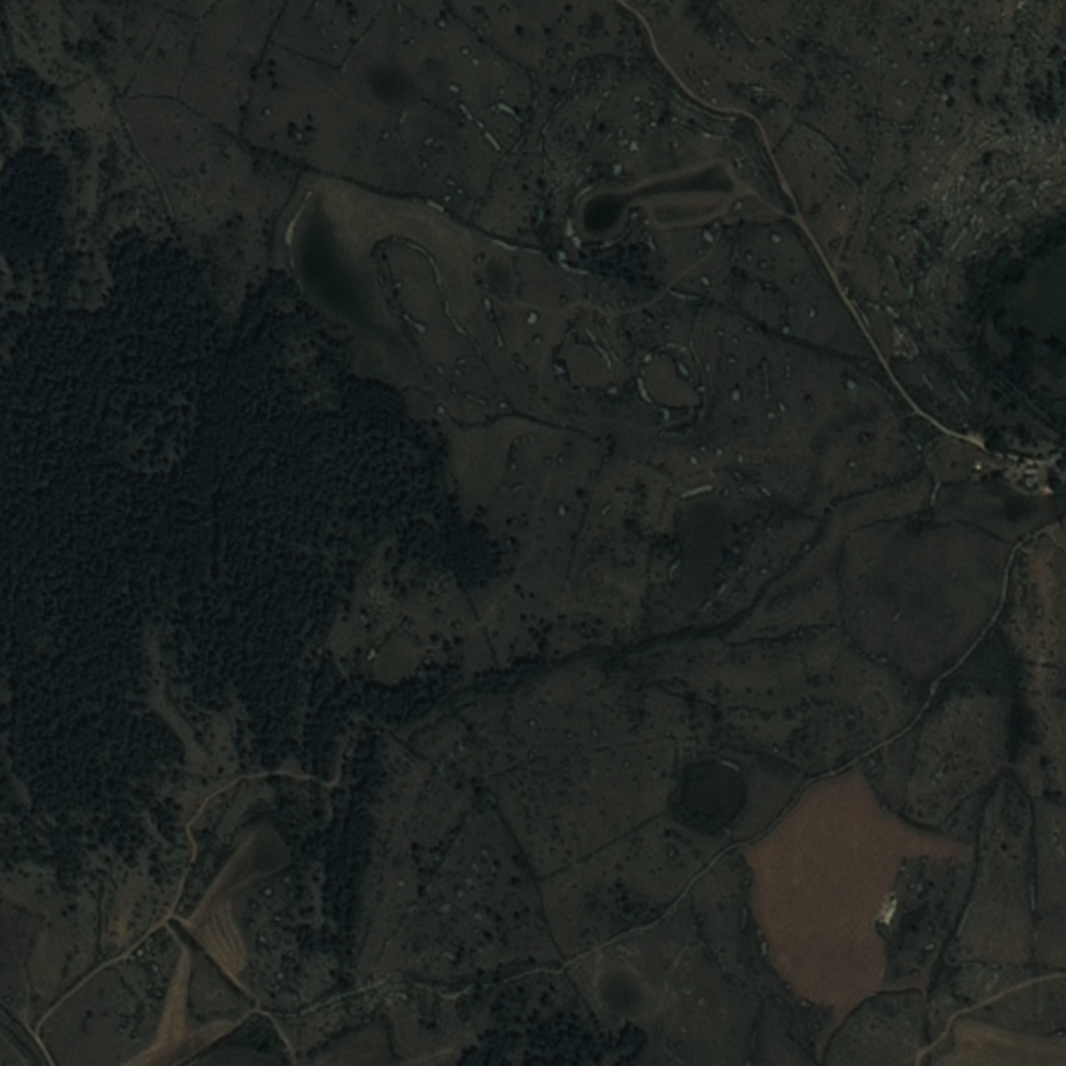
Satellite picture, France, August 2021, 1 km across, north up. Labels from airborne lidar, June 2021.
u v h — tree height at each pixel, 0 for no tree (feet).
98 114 0
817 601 0
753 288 0
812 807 0
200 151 0
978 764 0
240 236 0
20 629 36
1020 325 0
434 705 27
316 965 0
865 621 0
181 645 37
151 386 25
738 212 0
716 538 0
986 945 0
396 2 0
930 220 0
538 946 0
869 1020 0
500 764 0
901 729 0
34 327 40
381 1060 0
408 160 0
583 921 0
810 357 0
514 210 0
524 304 0
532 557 0
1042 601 0
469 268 0
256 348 36
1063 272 0
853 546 0
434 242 0
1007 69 0
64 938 0
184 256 33
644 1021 0
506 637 0
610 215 0
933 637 0
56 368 41
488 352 0
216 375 44
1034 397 29
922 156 0
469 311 0
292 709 26
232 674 44
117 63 0
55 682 36
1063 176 0
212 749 0
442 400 0
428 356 0
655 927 0
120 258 32
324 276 0
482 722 0
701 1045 0
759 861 0
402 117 0
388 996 0
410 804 0
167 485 24
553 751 0
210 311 30
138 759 26
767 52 0
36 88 34
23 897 0
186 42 0
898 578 0
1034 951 0
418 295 0
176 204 0
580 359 0
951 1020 0
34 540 39
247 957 0
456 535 62
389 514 19
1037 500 0
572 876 0
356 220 0
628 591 0
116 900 0
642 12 0
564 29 0
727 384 0
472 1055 33
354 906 30
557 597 0
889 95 0
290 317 20
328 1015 0
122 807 22
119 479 30
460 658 0
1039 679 0
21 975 0
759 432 0
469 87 0
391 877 0
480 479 0
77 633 38
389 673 0
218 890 0
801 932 0
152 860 25
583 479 0
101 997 0
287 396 30
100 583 39
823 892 0
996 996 0
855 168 0
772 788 0
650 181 0
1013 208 0
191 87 0
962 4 0
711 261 0
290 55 0
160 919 0
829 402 0
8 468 36
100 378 37
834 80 0
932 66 0
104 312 24
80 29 0
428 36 0
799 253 0
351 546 23
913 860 0
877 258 0
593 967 0
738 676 0
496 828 0
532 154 0
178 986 0
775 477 0
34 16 0
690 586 0
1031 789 0
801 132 0
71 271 31
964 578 0
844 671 0
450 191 0
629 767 0
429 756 0
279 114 0
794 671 0
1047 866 0
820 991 0
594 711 0
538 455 0
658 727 0
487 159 0
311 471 25
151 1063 0
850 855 0
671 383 0
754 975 0
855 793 0
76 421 33
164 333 39
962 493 0
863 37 0
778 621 0
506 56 0
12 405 39
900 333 0
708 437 0
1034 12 0
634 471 0
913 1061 0
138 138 0
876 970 0
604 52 0
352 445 22
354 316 0
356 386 47
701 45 0
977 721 0
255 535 36
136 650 24
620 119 0
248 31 0
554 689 0
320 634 26
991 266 37
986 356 50
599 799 0
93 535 44
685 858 0
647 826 0
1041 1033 0
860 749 0
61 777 29
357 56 0
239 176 0
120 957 0
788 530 0
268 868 0
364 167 0
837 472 0
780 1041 0
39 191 46
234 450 45
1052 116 31
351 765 25
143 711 28
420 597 0
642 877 0
